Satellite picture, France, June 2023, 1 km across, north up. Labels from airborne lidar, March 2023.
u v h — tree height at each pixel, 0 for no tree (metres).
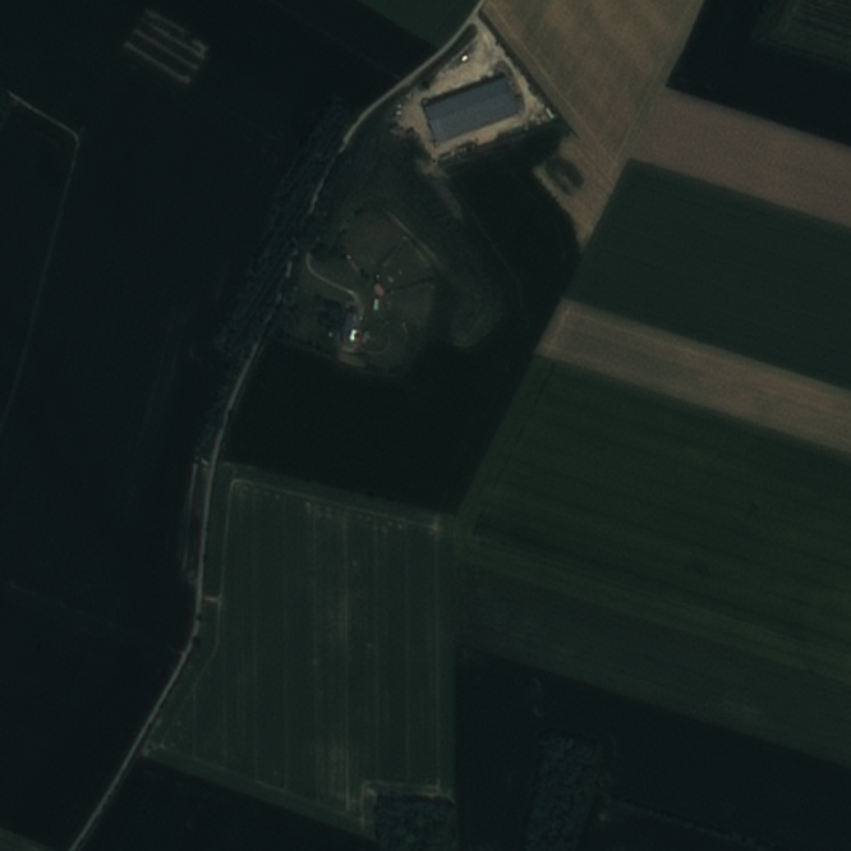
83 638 0
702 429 0
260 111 0
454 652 0
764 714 0
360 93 0
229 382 7
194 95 0
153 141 0
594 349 0
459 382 0
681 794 0
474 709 0
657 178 0
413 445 0
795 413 0
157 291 0
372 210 0
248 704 0
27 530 0
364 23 0
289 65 0
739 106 0
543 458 0
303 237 17
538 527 0
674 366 0
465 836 0
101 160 0
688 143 0
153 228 0
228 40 0
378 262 0
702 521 0
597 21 0
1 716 0
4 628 0
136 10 0
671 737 0
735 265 0
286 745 0
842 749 0
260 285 10
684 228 0
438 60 0
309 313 0
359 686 0
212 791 0
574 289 0
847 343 0
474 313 0
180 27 0
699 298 0
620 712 0
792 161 0
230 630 0
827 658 0
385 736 0
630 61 0
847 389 0
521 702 0
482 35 0
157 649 0
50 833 0
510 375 0
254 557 0
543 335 0
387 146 0
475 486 0
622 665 0
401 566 0
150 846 0
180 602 0
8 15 0
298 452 0
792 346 0
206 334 0
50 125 0
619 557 0
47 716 0
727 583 0
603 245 0
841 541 0
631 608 0
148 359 0
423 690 0
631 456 0
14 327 0
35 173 0
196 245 0
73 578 0
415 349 0
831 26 0
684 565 0
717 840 0
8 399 0
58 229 0
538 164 0
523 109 0
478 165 0
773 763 0
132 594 0
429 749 0
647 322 0
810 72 0
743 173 0
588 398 0
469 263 0
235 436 0
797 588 0
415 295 0
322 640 0
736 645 0
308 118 0
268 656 0
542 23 0
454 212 0
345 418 0
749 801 0
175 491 0
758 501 0
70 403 0
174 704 0
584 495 0
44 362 0
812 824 0
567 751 18
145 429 0
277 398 0
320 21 0
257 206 0
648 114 0
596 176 0
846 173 0
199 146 0
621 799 8
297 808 0
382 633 0
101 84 0
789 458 0
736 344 0
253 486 0
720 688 0
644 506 0
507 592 0
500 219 0
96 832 0
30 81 0
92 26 0
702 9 0
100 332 0
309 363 0
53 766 0
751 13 0
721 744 0
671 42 0
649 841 0
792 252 0
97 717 0
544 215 0
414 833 17
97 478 0
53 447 0
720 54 0
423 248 0
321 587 0
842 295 0
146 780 0
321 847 0
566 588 0
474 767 0
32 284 0
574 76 0
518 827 0
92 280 0
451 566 0
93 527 0
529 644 0
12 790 0
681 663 0
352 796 0
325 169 9
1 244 0
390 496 0
